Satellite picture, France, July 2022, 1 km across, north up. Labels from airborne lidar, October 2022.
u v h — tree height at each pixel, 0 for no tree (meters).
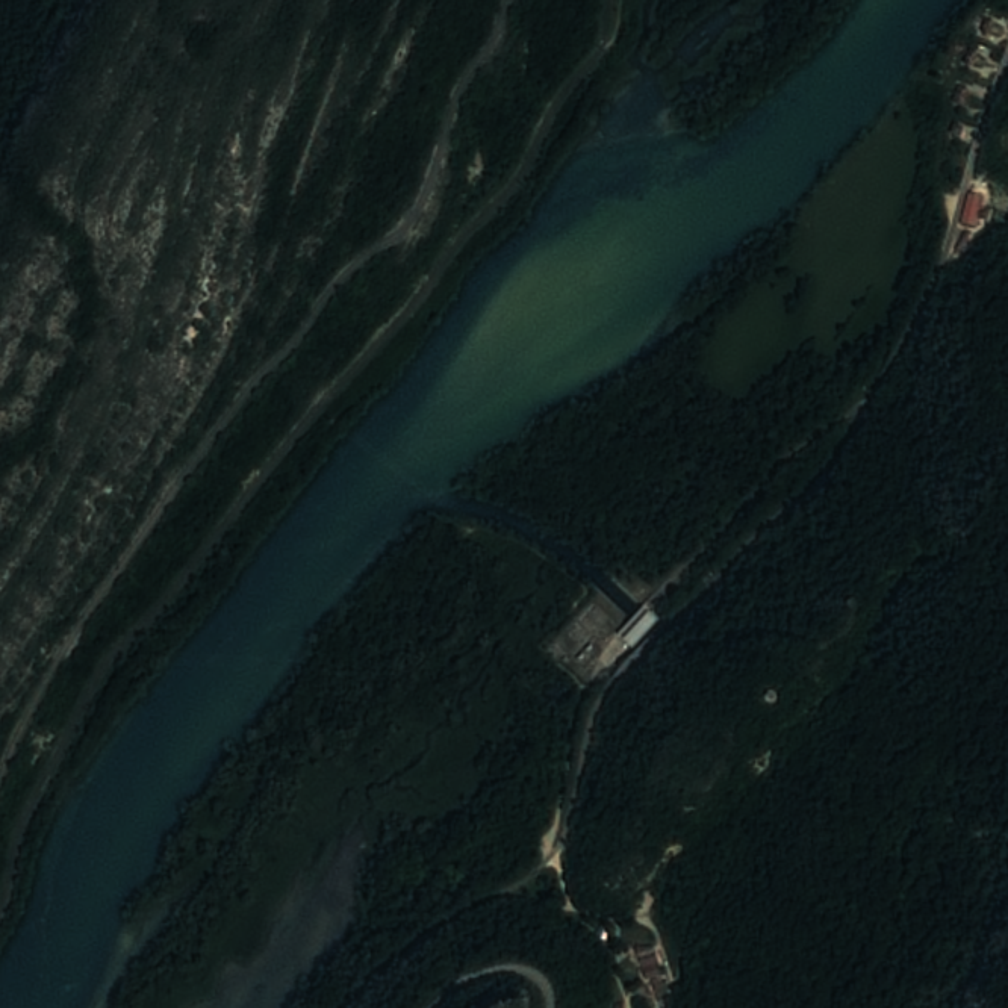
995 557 18
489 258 0
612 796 10
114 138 7
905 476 20
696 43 0
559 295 0
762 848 13
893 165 0
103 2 6
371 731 6
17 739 0
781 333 0
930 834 18
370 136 10
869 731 17
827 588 8
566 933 18
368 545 0
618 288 0
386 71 8
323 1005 28
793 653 7
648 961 0
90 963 0
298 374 9
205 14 7
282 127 6
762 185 0
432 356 0
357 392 6
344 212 8
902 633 33
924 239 7
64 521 7
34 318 6
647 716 12
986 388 15
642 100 0
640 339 0
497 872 20
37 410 7
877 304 0
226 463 12
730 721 7
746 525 17
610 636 0
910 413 23
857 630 14
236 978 0
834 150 0
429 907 26
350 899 0
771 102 0
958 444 26
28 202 9
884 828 8
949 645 30
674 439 15
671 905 9
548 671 6
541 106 15
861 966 18
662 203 0
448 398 0
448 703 12
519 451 14
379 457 0
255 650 0
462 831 24
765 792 17
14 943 0
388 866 27
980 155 8
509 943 12
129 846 0
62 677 15
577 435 14
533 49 12
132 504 9
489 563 11
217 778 18
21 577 9
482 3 20
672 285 0
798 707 14
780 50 21
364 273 8
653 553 19
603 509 15
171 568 13
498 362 0
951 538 19
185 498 12
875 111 0
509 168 20
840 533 14
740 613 8
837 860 10
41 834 14
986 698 17
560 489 16
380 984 24
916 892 18
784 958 13
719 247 0
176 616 17
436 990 12
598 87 17
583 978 9
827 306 0
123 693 6
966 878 16
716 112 18
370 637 9
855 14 0
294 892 0
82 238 10
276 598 0
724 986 11
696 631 17
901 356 9
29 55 12
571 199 0
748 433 16
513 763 19
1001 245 12
